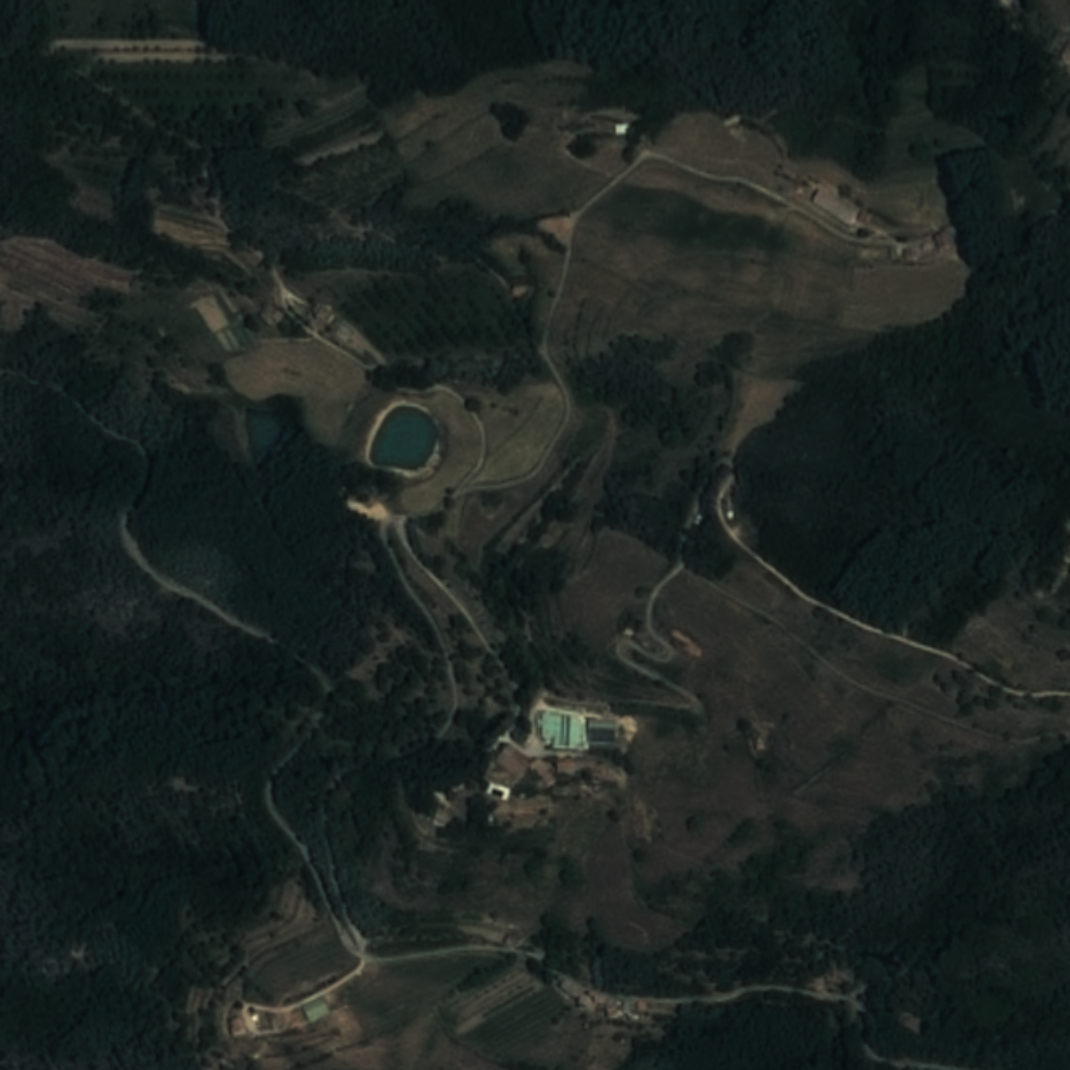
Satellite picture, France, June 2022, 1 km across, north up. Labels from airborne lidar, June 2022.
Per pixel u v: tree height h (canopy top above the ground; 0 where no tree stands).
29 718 16
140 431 11
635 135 7
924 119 0
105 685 24
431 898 0
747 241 0
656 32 21
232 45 27
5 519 16
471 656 10
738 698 0
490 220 8
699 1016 18
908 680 0
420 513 0
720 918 15
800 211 0
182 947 9
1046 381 32
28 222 16
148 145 8
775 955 12
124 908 16
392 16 21
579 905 0
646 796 0
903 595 28
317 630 21
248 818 10
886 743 0
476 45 7
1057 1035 13
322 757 6
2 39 17
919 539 29
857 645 0
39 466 14
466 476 0
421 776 14
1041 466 7
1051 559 11
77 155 8
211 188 14
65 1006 15
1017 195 0
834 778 0
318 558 20
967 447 19
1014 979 8
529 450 0
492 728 10
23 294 0
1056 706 10
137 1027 16
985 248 33
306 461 25
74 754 6
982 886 7
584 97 0
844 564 9
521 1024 0
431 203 0
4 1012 19
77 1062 14
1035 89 9
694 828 12
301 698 19
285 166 10
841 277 0
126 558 17
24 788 11
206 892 16
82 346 13
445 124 0
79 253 11
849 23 20
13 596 14
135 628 9
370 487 6
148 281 7
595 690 0
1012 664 0
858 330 0
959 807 11
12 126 17
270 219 9
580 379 9
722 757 0
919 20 6
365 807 14
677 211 0
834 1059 12
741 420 0
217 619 9
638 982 25
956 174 32
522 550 14
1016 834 10
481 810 15
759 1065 21
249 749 29
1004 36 13
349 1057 0
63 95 14
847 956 14
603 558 0
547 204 0
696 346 0
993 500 31
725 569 8
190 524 18
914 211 0
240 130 11
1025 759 0
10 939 15
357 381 0
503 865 7
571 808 0
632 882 0
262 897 11
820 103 16
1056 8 0
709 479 9
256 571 18
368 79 14
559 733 0
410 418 0
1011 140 12
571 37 31
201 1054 10
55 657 9
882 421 8
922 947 15
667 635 0
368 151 9
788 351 0
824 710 0
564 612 0
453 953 0
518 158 0
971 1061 21
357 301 7
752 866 12
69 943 10
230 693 26
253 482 15
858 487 6
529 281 8
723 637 0
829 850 0
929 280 0
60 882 20
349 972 0
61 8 6
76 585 9
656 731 0
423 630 10
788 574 6
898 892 18
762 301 0
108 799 8
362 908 17
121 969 10
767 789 0
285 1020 0
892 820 12
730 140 0
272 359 0
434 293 6
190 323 0
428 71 17
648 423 7
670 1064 20
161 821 10
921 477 26
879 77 24
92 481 15
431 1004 0
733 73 25
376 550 16
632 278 0
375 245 14
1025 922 11
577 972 8
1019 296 19
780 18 35
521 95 0
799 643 0
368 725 10
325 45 20
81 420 18
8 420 16
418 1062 0
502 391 9
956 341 8
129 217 8
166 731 23
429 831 0
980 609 11
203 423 11
